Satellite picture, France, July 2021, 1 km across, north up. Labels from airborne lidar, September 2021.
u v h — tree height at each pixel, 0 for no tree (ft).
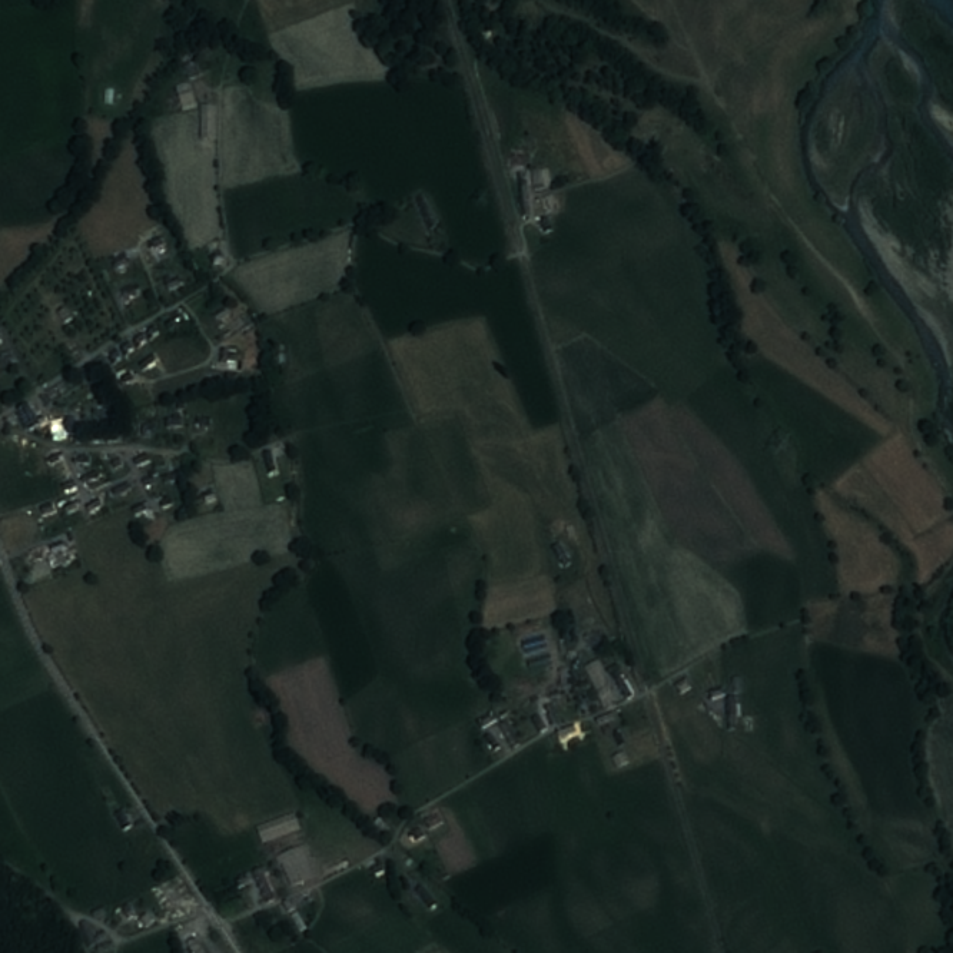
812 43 0
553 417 0
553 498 0
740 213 0
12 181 0
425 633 0
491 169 0
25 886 66
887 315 0
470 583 0
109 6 0
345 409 0
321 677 0
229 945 0
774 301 0
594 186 0
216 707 0
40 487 0
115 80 0
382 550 0
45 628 0
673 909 0
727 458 0
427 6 78
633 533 0
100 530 0
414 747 0
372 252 0
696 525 0
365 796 0
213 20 58
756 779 0
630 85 41
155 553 54
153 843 0
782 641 0
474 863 0
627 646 23
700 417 0
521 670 0
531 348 0
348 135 0
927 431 79
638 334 0
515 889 0
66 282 32
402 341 0
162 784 0
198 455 24
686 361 0
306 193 0
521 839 0
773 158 0
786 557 0
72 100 0
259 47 94
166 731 0
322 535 0
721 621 0
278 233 0
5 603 0
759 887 0
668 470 0
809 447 0
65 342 23
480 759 0
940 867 47
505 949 0
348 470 0
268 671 0
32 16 0
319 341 0
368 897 0
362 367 0
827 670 0
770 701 0
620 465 0
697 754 0
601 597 0
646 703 0
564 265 0
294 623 0
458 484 0
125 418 112
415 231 0
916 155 17
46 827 0
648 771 0
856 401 0
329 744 0
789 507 0
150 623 0
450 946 0
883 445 0
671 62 0
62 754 0
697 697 0
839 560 41
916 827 0
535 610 0
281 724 63
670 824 0
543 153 0
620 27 37
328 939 0
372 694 0
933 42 25
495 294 0
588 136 0
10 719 0
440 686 0
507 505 0
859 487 0
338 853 0
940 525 0
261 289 0
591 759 0
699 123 39
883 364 41
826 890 0
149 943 0
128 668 0
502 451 0
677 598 0
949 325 0
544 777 0
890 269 0
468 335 0
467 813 0
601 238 0
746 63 0
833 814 0
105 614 0
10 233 0
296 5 0
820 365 0
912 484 0
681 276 0
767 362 0
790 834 0
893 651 0
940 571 21
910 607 74
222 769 0
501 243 0
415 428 0
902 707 0
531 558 0
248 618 0
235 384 62
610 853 0
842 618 0
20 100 0
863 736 0
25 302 31
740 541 0
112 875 0
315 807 0
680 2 0
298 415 0
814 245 0
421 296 0
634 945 0
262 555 51
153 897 0
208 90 0
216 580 0
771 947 0
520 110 0
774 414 0
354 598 0
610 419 0
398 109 0
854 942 0
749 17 0
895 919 0
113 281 0
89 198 72
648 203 0
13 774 0
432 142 0
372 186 0
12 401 54
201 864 0
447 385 0
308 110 0
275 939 46
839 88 0
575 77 47
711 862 0
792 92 0
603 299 0
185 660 0
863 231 0
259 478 0
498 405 0
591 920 0
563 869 0
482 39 58
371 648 0
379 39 71
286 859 0
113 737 0
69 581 0
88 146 72
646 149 94
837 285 0
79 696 35
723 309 92
